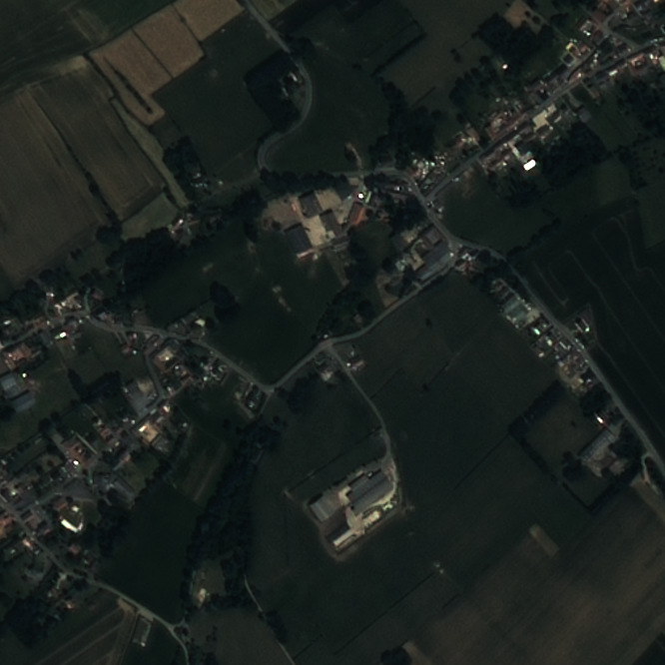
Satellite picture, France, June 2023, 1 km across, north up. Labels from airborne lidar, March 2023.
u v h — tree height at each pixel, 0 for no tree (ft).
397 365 0
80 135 0
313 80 0
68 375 0
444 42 0
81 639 0
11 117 0
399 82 0
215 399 0
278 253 0
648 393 0
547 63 0
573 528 0
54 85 0
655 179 0
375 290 0
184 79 0
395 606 0
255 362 0
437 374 0
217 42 0
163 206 0
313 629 0
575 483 0
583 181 0
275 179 72
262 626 0
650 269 0
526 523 0
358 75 0
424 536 0
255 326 0
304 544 0
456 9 0
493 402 0
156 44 0
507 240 0
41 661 0
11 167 0
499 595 0
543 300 0
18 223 0
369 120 0
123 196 0
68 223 0
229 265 0
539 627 0
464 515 0
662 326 0
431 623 0
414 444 0
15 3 0
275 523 0
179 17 0
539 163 43
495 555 0
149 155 0
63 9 0
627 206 0
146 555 0
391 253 0
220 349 0
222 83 0
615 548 0
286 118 77
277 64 87
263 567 0
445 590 0
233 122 0
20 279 0
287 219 0
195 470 0
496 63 0
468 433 0
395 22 0
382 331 0
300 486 0
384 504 0
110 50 0
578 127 53
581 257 0
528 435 0
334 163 0
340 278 0
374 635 0
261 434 71
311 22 0
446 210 0
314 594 0
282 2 0
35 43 0
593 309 0
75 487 0
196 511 0
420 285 0
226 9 0
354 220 0
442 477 0
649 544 0
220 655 0
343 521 0
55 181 0
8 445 0
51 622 39
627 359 0
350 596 0
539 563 0
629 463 0
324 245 0
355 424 0
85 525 0
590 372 0
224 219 53
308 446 0
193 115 0
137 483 0
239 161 0
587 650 0
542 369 0
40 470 33
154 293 0
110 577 0
